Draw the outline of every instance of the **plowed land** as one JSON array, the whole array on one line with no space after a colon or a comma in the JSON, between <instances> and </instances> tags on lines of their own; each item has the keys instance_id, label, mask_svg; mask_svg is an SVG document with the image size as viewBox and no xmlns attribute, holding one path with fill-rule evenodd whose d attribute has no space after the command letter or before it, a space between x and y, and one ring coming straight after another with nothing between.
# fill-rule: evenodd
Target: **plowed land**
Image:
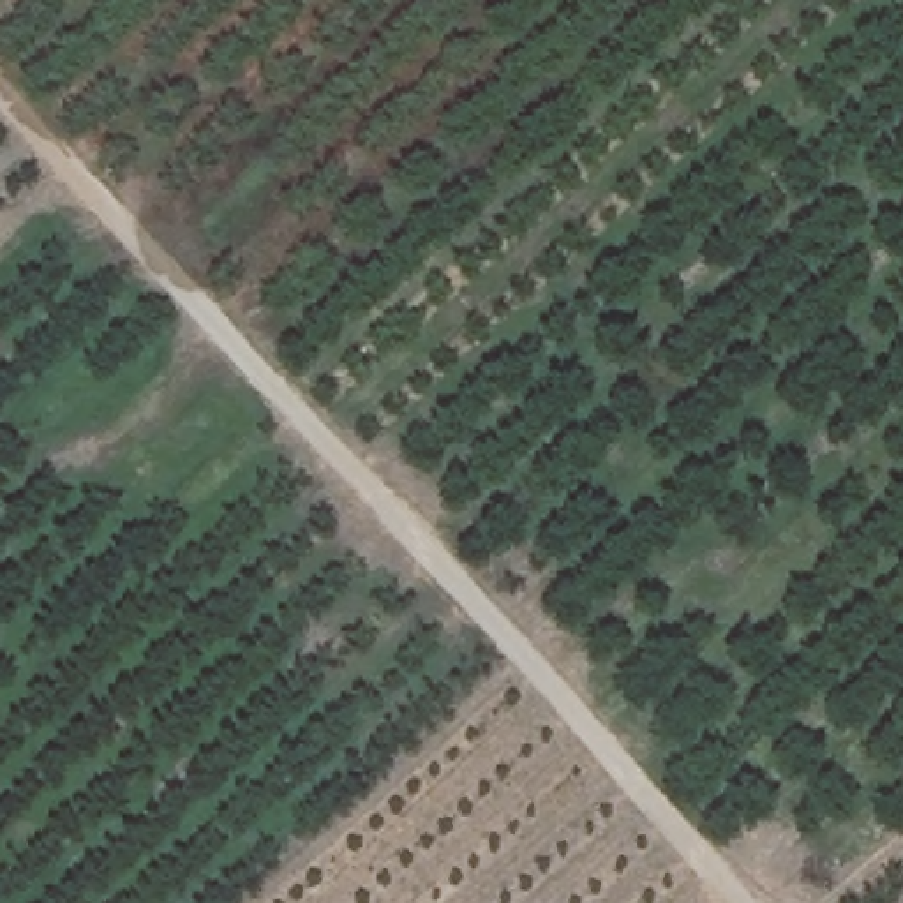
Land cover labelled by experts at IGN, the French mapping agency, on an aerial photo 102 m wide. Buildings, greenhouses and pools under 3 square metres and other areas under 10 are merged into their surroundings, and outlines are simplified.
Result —
<instances>
[{"instance_id":1,"label":"plowed land","mask_svg":"<svg viewBox=\"0 0 903 903\"><path fill-rule=\"evenodd\" d=\"M35 159L0 123L0 183L18 162Z\"/></svg>"},{"instance_id":2,"label":"plowed land","mask_svg":"<svg viewBox=\"0 0 903 903\"><path fill-rule=\"evenodd\" d=\"M402 452L392 441L353 441L363 466L374 469L381 483L399 501L406 501L420 515L420 522L434 529L444 511L437 487L402 459Z\"/></svg>"},{"instance_id":3,"label":"plowed land","mask_svg":"<svg viewBox=\"0 0 903 903\"><path fill-rule=\"evenodd\" d=\"M522 681L519 667L504 660L483 681L476 681L473 695L455 705L455 716L448 723L420 737L416 751L395 755L388 776L377 780L377 787L363 801L356 801L349 815L339 815L325 832L310 840L321 882L314 885L317 896L303 892L296 903L730 903L713 889L702 889L702 878L656 832L649 815L614 783L614 776L596 762L596 755L571 734L571 727L561 723L557 709Z\"/></svg>"},{"instance_id":4,"label":"plowed land","mask_svg":"<svg viewBox=\"0 0 903 903\"><path fill-rule=\"evenodd\" d=\"M582 638L564 631L543 610L543 603L533 603L519 589L490 596L497 610L526 635L526 642L557 670L557 677L589 702L589 656Z\"/></svg>"},{"instance_id":5,"label":"plowed land","mask_svg":"<svg viewBox=\"0 0 903 903\"><path fill-rule=\"evenodd\" d=\"M279 903L303 878L289 864L282 864L254 899L243 903Z\"/></svg>"},{"instance_id":6,"label":"plowed land","mask_svg":"<svg viewBox=\"0 0 903 903\"><path fill-rule=\"evenodd\" d=\"M878 878L889 861L903 857L903 829L889 832L885 843L871 847L850 864L836 861L829 889L815 889L801 878L808 843L801 840L797 825L758 822L730 843L716 847L737 875L737 882L758 903L840 903L847 892L861 892L864 882Z\"/></svg>"}]
</instances>

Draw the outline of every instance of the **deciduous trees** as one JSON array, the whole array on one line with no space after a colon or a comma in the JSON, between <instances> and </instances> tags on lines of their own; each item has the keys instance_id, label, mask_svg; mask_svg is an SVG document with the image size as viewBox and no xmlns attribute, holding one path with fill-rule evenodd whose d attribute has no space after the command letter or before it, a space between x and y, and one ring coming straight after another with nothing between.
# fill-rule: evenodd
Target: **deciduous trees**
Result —
<instances>
[{"instance_id":1,"label":"deciduous trees","mask_svg":"<svg viewBox=\"0 0 903 903\"><path fill-rule=\"evenodd\" d=\"M399 586L395 571L367 568L367 561L356 550L342 547L335 533L339 519L328 504L325 480L317 473L303 473L293 466L286 444L279 444L275 437L275 413L261 399L261 392L247 384L247 377L205 339L205 332L166 293L138 279L123 243L109 229L102 229L102 222L92 212L78 208L67 183L60 183L35 159L18 162L0 183L0 903L243 903L254 899L282 864L289 864L303 878L279 903L296 903L303 892L317 896L314 885L321 882L310 840L325 832L339 815L349 815L356 801L363 801L377 787L377 780L388 776L395 755L416 751L420 737L448 723L455 716L455 705L473 695L476 681L483 681L504 660L504 653L476 624L441 628L455 600L437 582L420 582L406 589Z\"/></svg>"},{"instance_id":2,"label":"deciduous trees","mask_svg":"<svg viewBox=\"0 0 903 903\"><path fill-rule=\"evenodd\" d=\"M864 882L861 892L847 892L840 903L903 903L903 857L889 861L878 878Z\"/></svg>"},{"instance_id":3,"label":"deciduous trees","mask_svg":"<svg viewBox=\"0 0 903 903\"><path fill-rule=\"evenodd\" d=\"M434 529L469 568L473 582L490 596L519 589L533 603L543 603L543 610L564 631L582 638L589 656L589 702L596 720L621 737L624 751L670 797L670 804L716 847L730 843L758 822L797 825L801 840L808 843L801 878L815 889L829 889L836 861L850 864L871 847L885 843L889 832L903 829L903 0L0 0L0 78L25 92L25 99L35 106L42 127L53 138L88 138L99 145L92 173L106 187L123 183L127 176L141 180L141 208L134 212L138 229L152 236L180 265L180 272L222 307L222 314L250 342L250 349L261 353L272 367L279 367L289 377L289 384L339 430L342 441L353 441L392 441L402 452L402 459L437 487L444 511Z\"/></svg>"}]
</instances>

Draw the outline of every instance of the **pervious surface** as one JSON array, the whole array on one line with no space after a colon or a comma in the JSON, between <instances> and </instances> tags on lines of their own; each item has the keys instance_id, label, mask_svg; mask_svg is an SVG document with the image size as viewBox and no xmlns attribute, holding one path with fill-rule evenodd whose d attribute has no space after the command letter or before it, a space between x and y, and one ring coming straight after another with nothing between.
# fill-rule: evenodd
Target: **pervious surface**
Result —
<instances>
[{"instance_id":1,"label":"pervious surface","mask_svg":"<svg viewBox=\"0 0 903 903\"><path fill-rule=\"evenodd\" d=\"M758 903L737 882L737 875L716 847L670 804L670 797L624 751L621 737L596 720L589 702L557 677L557 670L526 642L526 635L497 610L490 596L473 582L469 568L434 529L420 522L420 515L406 501L399 501L381 483L374 469L363 466L353 441L342 441L339 430L289 384L289 377L279 367L272 367L261 353L250 349L250 342L222 314L222 307L180 272L180 265L152 236L138 229L134 212L141 208L141 180L127 176L123 183L106 187L92 173L99 145L88 138L53 138L42 127L35 106L25 99L25 92L0 78L0 123L35 159L60 183L67 183L78 208L92 212L102 222L102 229L109 229L123 243L138 279L166 293L205 332L205 339L247 377L247 384L261 392L261 399L275 413L275 437L279 444L286 444L293 466L303 473L317 473L325 480L328 504L339 519L335 533L342 547L356 550L367 561L367 568L395 571L399 586L406 589L420 582L437 582L455 600L441 628L476 624L504 653L504 660L519 667L522 681L557 709L561 723L571 727L571 734L596 755L596 762L614 776L614 783L649 815L656 832L702 878L702 889L713 889L730 903Z\"/></svg>"}]
</instances>

